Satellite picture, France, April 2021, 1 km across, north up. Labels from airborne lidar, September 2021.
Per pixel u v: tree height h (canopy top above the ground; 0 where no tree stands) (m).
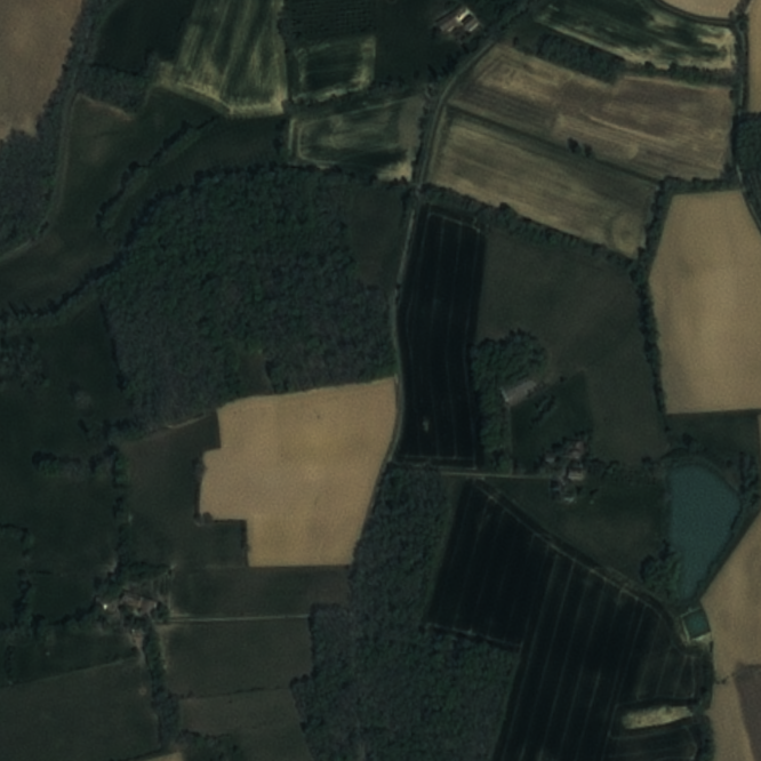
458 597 0
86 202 0
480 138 0
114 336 22
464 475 0
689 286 0
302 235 19
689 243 0
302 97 0
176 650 0
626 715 0
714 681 0
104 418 0
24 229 18
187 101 0
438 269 0
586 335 0
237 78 0
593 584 0
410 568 19
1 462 0
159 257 27
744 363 0
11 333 13
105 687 0
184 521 0
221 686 0
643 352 0
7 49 0
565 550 0
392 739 15
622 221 0
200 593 0
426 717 24
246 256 19
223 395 19
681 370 0
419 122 0
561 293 0
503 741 0
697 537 0
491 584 0
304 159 0
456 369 0
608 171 0
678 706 0
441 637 18
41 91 0
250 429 0
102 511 0
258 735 0
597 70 14
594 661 0
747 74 11
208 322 18
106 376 0
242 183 23
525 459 0
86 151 0
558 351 0
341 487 0
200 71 0
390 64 0
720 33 0
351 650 21
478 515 0
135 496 0
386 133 0
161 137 0
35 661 0
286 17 11
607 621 0
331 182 21
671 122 0
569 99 0
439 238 0
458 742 22
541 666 0
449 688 24
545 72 0
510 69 0
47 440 0
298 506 0
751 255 0
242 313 20
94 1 18
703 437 0
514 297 0
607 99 0
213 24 0
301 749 0
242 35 0
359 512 0
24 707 0
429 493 20
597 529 0
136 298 21
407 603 14
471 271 0
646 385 0
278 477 0
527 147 0
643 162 0
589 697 0
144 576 9
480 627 0
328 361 15
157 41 0
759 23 0
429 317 0
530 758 0
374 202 0
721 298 0
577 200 0
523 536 0
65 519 0
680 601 11
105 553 0
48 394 0
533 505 0
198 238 20
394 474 19
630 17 0
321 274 24
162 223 25
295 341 20
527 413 0
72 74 21
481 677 22
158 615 13
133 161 0
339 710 22
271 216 25
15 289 0
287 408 0
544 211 0
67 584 0
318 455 0
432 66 0
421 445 0
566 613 0
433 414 0
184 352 20
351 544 0
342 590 0
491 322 0
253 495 0
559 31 0
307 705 14
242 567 0
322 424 0
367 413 0
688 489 0
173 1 0
